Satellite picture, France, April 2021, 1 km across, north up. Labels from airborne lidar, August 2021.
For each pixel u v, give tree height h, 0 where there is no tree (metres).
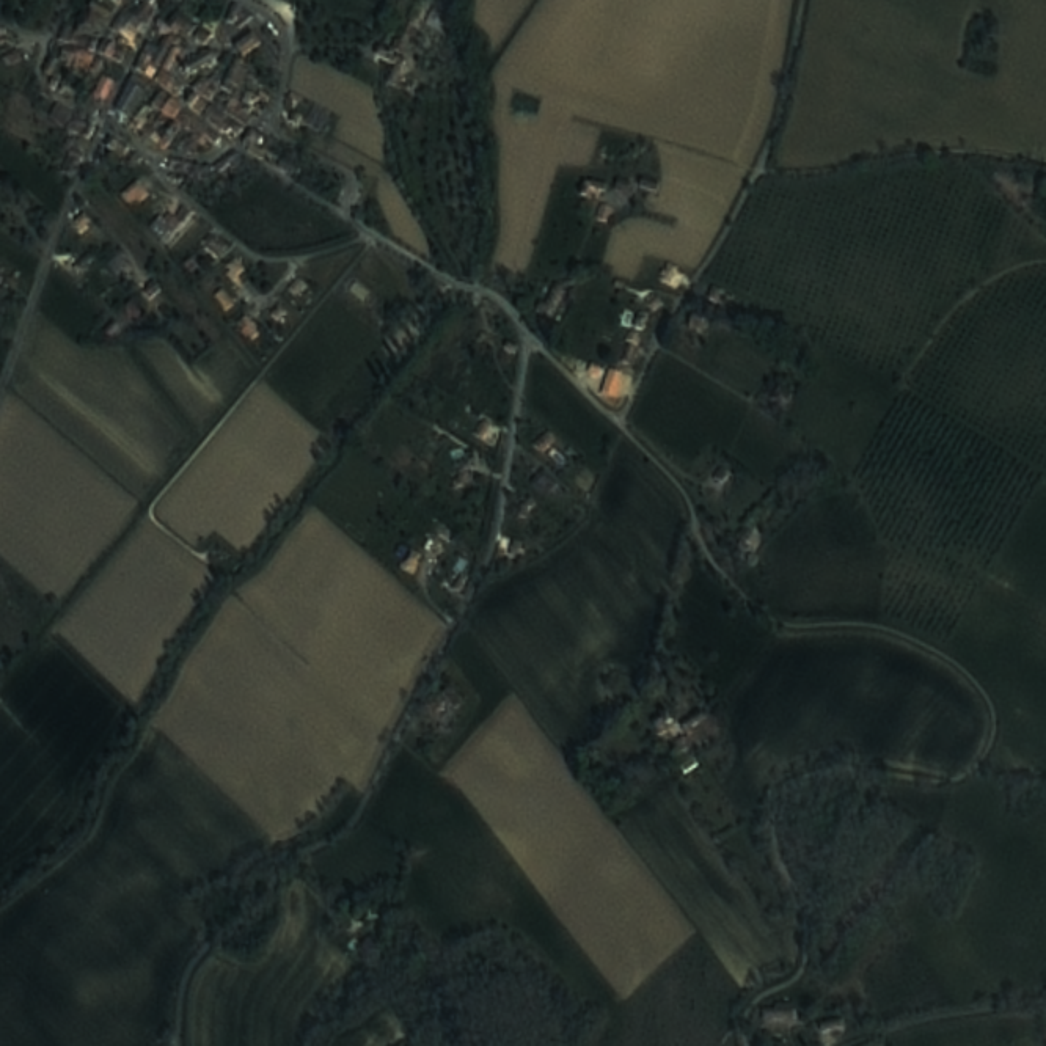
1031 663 0
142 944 0
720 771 9
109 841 0
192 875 0
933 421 6
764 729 0
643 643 0
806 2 0
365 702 0
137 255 0
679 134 0
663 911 0
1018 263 0
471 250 13
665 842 0
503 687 0
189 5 6
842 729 0
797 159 0
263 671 0
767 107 0
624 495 0
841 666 0
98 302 0
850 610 0
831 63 0
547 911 0
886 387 0
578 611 0
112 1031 0
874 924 22
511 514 6
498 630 0
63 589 0
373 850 0
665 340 17
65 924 0
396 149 6
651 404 0
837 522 0
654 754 12
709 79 0
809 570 0
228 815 0
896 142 0
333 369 0
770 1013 0
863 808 18
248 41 0
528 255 0
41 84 15
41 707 0
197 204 0
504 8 0
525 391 0
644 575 0
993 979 0
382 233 7
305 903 0
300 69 0
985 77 0
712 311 19
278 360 0
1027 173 12
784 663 0
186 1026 0
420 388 13
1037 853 0
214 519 0
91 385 0
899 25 0
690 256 0
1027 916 0
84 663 0
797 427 11
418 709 16
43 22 6
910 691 0
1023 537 0
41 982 0
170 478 0
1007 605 0
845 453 0
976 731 0
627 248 0
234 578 12
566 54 0
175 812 0
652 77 0
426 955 14
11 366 0
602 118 0
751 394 8
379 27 11
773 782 10
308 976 0
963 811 0
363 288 0
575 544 0
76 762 0
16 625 0
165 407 0
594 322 0
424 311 8
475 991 14
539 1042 15
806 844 11
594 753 17
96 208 0
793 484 16
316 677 0
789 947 0
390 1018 0
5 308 16
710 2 0
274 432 0
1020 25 0
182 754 0
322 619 0
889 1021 13
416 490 10
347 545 0
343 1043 0
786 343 34
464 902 0
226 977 0
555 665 0
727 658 0
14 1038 0
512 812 0
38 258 0
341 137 0
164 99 0
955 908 17
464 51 13
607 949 0
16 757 0
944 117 0
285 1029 0
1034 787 19
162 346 0
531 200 0
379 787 10
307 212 0
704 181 0
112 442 0
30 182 0
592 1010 13
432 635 0
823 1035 10
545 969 13
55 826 0
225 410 0
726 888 0
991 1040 0
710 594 0
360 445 20
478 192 22
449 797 0
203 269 9
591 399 0
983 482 6
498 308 0
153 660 0
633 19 0
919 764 0
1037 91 0
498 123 0
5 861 0
